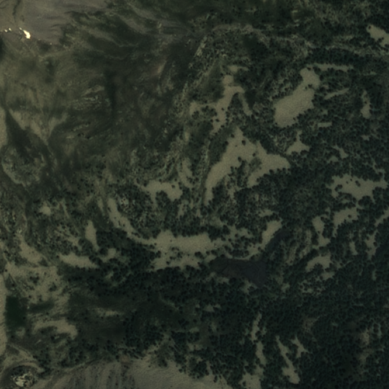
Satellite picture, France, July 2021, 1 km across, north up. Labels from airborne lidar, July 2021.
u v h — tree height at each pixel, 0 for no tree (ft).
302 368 43
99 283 31
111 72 0
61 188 0
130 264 43
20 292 0
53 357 0
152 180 0
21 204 0
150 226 34
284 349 0
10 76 0
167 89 0
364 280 62
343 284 31
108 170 0
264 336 34
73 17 0
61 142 0
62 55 0
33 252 0
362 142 56
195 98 31
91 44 0
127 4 0
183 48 0
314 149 41
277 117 0
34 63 0
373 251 0
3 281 0
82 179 26
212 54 23
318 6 18
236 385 30
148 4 0
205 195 0
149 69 0
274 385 50
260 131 20
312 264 0
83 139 0
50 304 0
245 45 0
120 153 0
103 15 0
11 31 0
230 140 0
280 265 26
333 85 43
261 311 42
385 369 41
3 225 0
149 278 55
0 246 0
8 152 0
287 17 34
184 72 0
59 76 0
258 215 24
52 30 0
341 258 34
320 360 23
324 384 62
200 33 0
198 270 39
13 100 0
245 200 23
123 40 0
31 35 0
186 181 0
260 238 34
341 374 52
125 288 28
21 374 23
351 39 34
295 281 57
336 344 43
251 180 0
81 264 0
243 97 0
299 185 25
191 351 25
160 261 0
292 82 26
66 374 0
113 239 34
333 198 52
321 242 0
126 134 0
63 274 0
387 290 42
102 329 0
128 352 30
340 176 40
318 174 43
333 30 49
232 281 50
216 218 0
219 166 0
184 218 28
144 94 0
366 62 28
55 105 0
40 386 0
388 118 56
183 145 0
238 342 40
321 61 32
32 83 0
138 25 0
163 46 0
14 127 0
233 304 51
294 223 43
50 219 0
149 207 28
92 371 0
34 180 0
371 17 33
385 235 66
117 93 0
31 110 0
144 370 0
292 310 40
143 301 0
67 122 0
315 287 32
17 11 0
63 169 0
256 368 18
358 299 52
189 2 0
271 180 36
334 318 33
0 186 0
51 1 0
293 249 0
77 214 31
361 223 34
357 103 45
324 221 29
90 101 0
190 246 0
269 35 33
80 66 0
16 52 0
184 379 0
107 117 0
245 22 0
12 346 0
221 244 0
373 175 61
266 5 0
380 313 44
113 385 0
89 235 0
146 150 0
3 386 0
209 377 0
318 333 24
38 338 0
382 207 58
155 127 0
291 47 29
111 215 0
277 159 0
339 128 25
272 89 20
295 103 0
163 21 0
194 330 0
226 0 0
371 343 24
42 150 0
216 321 0
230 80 0
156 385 0
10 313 0
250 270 0
